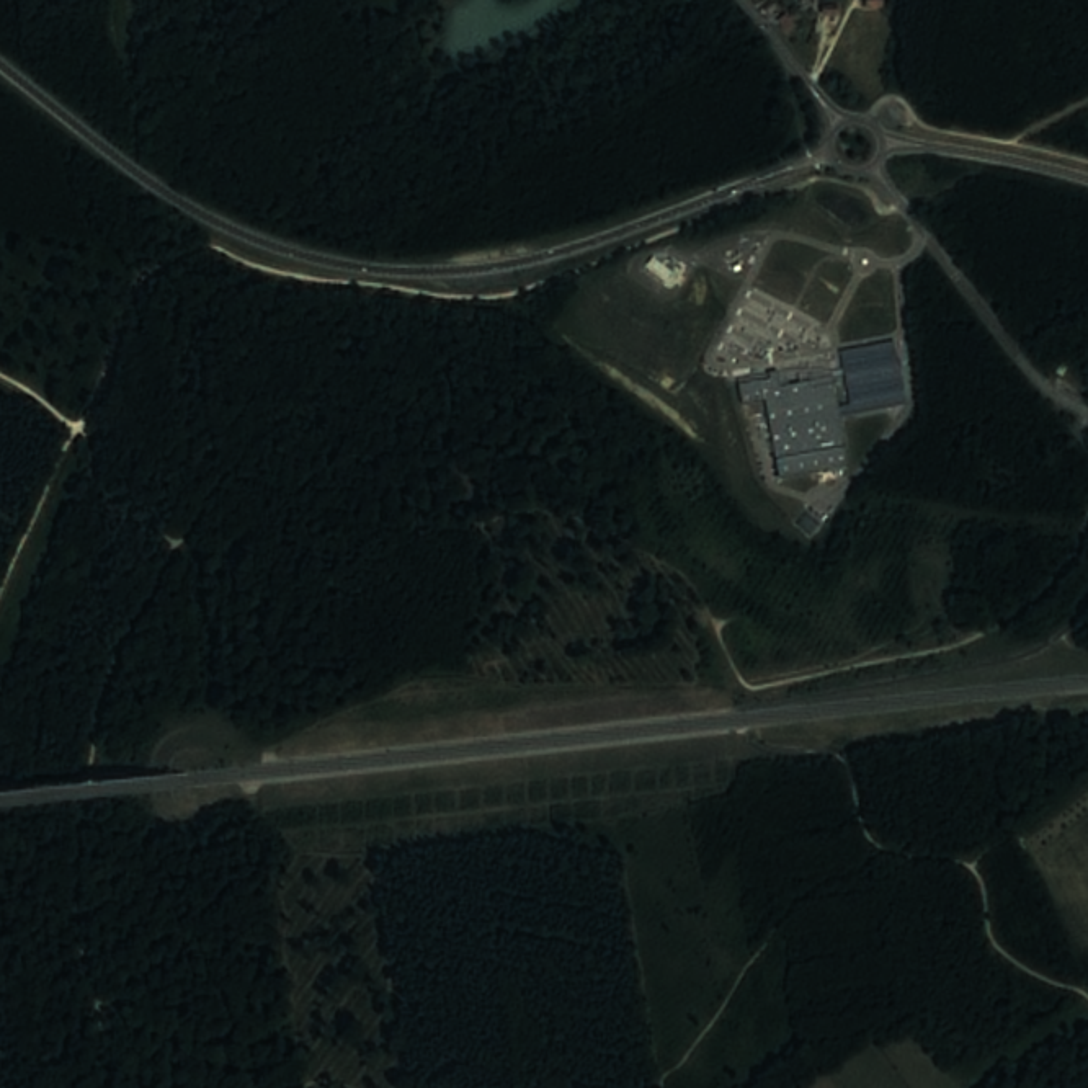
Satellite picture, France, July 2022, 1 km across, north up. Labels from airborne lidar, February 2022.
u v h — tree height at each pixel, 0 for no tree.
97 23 18
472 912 21
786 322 0
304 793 0
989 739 23
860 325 0
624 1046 23
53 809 16
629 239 0
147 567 25
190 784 0
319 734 0
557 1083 21
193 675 22
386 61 17
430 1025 20
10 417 20
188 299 31
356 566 18
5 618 0
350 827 0
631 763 0
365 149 31
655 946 0
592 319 0
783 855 16
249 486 17
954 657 0
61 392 22
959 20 10
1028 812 22
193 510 21
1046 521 0
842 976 14
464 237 6
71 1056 23
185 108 23
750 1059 0
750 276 0
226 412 19
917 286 8
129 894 28
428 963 22
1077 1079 20
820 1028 14
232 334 26
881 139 0
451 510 21
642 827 0
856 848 15
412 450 26
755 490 0
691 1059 0
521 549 26
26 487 23
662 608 22
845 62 0
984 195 10
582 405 23
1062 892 0
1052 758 29
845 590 0
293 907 0
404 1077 23
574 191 8
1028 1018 7
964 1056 15
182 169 23
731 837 7
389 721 0
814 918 13
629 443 25
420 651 13
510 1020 22
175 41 26
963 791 17
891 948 13
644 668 0
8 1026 21
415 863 24
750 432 0
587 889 20
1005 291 10
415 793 0
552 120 27
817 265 0
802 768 16
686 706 0
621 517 23
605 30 27
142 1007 25
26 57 12
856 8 0
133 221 22
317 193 27
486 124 28
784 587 0
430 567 16
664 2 24
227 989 30
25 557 0
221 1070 18
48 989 24
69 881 23
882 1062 0
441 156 28
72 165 16
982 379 10
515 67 14
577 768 0
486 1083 22
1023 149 0
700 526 0
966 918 15
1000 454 8
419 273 0
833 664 0
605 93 24
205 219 0
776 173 0
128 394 26
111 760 14
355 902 0
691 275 0
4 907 27
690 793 0
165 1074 25
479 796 0
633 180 8
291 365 20
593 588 22
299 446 22
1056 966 10
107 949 20
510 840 22
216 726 0
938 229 14
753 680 0
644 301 0
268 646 24
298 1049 27
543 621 24
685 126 10
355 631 19
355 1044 23
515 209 5
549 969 19
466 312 16
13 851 16
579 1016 17
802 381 0
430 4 15
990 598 8
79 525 22
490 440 21
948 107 9
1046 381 0
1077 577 19
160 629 19
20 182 9
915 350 13
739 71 10
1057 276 10
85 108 20
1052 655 0
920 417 10
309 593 26
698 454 14
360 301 20
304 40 28
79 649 31
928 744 14
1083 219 10
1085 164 0
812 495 0
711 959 7
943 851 19
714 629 0
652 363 0
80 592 21
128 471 22
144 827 14
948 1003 16
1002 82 11
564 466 14
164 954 27
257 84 28
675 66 26
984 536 10
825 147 0
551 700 0
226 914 26
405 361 24
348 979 24
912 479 9
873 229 0
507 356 18
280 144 30
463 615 15
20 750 27
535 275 0
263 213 29
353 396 20
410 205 28
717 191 0
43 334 27
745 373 0
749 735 0
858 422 0
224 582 20
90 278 28
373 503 28
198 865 27
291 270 0
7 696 21
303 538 22
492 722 0
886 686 0
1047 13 6
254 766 0
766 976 0
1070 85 8
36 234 7
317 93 30
